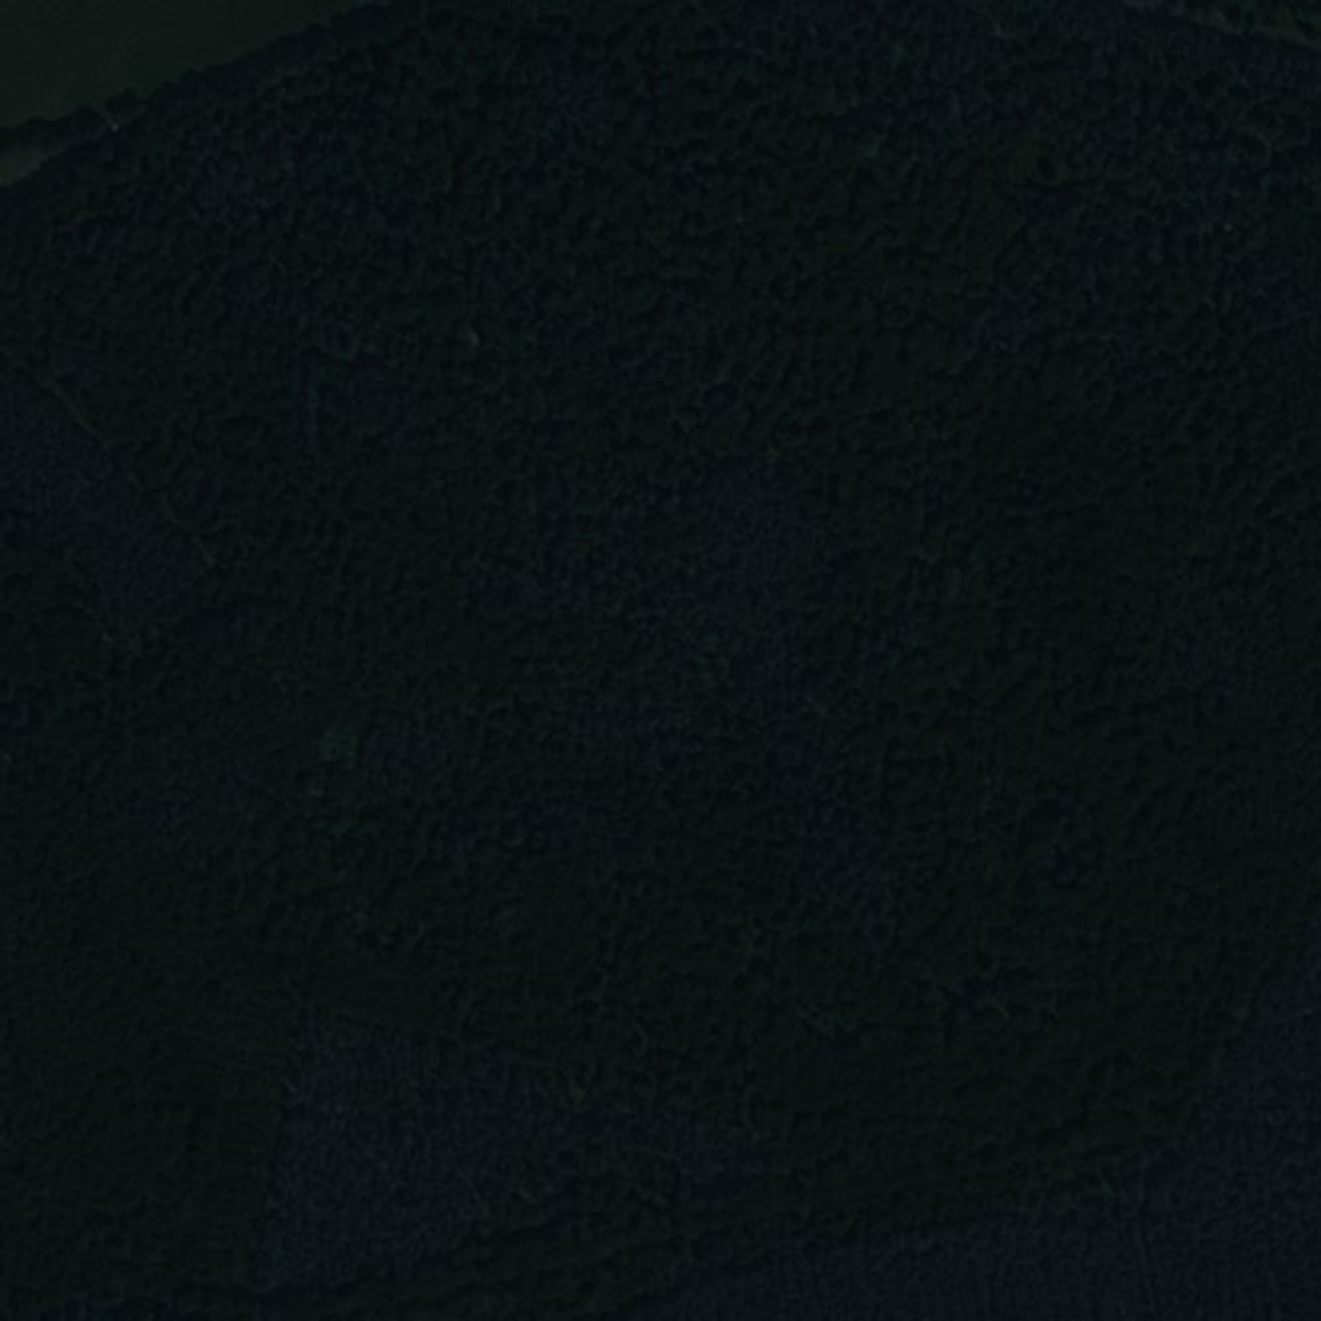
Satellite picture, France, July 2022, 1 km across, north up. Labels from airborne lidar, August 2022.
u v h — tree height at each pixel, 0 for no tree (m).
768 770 9
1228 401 15
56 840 25
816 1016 9
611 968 31
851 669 27
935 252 30
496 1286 22
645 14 26
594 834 24
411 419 22
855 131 30
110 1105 23
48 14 0
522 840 20
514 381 28
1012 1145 25
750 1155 27
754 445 31
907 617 28
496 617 25
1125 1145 25
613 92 29
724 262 29
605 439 21
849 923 19
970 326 33
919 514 31
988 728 22
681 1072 28
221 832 25
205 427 26
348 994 21
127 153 31
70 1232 15
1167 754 31
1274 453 24
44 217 23
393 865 24
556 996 30
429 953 22
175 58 0
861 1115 20
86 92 0
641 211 33
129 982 22
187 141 30
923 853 19
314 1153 22
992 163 20
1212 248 18
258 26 0
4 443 26
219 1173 7
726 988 22
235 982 19
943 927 31
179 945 22
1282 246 23
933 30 13
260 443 25
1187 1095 28
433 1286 26
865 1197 20
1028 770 28
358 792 22
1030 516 29
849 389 33
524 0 25
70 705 24
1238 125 21
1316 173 29
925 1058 19
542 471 11
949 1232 23
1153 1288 17
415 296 30
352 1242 7
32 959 23
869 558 30
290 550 24
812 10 27
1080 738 33
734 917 25
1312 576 29
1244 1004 25
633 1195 26
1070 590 25
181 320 29
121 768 24
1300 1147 28
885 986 24
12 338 24
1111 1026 22
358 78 28
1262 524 29
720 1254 16
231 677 22
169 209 24
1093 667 20
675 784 18
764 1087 22
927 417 30
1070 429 18
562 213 19
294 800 27
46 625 33
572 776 17
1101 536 26
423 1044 27
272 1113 6
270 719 23
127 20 0
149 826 24
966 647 22
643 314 27
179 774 23
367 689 22
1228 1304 21
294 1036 20
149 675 29
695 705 28
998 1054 23
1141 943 27
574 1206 8
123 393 24
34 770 20
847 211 6
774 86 28
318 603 25
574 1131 26
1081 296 26
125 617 28
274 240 23
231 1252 8
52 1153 25
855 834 25
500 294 23
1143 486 18
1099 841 20
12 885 24
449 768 22
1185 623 20
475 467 17
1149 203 19
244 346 33
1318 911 27
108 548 29
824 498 29
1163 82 29
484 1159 30
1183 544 23
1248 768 27
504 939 20
